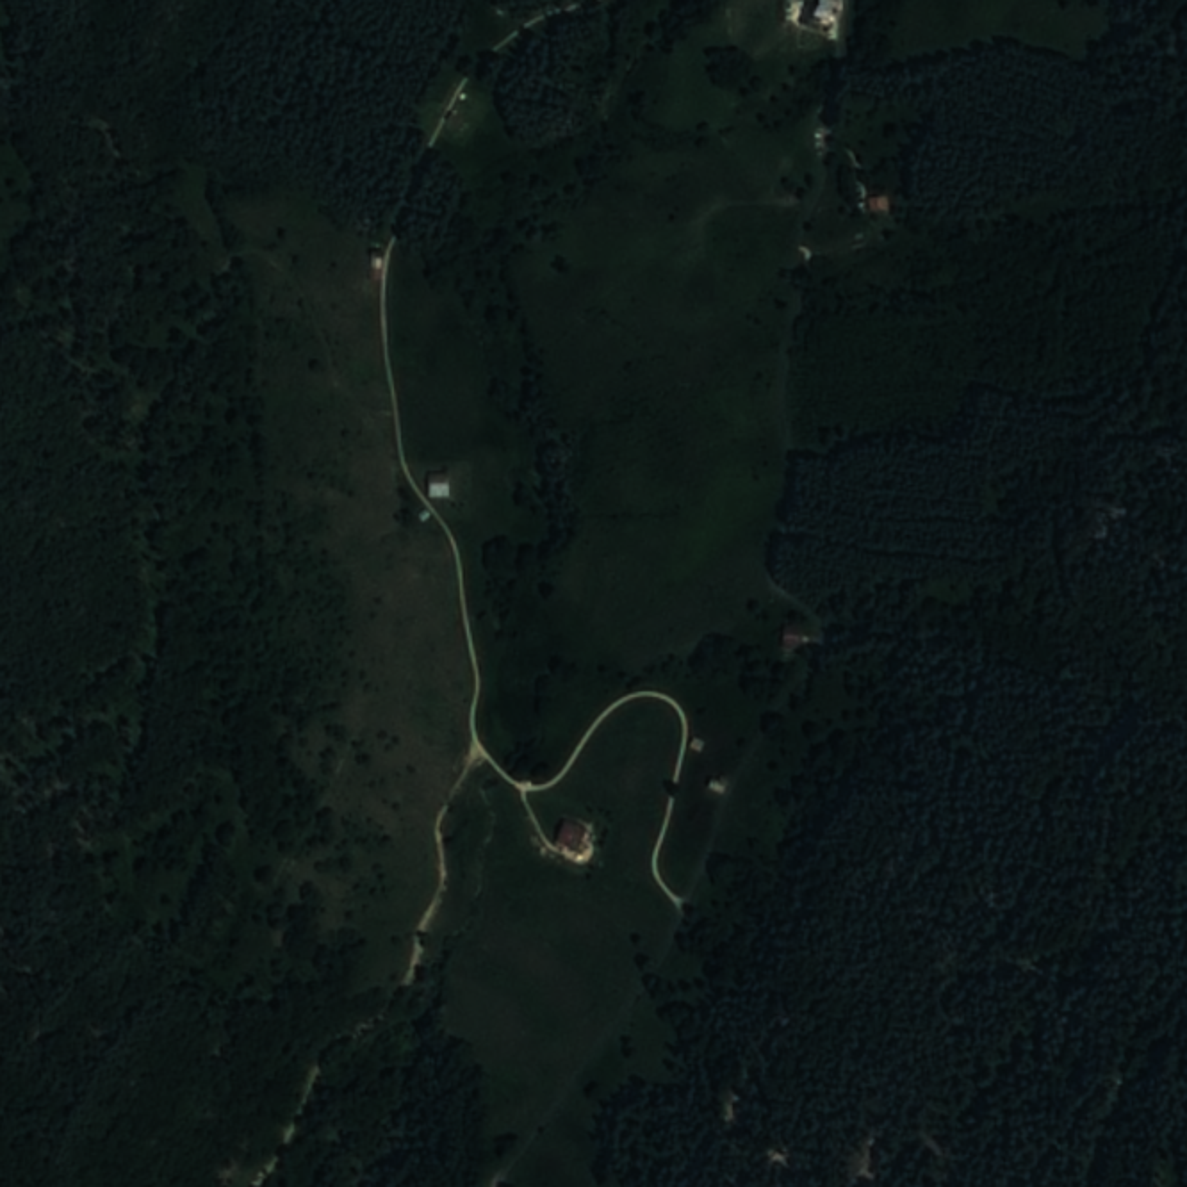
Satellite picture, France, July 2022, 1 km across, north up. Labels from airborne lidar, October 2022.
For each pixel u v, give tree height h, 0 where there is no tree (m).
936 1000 22
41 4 27
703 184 0
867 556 29
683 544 0
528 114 27
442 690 0
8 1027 23
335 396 0
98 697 24
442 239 25
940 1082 17
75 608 21
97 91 21
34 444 21
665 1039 0
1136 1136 20
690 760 0
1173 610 28
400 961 0
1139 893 26
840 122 28
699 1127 17
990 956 32
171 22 13
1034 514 26
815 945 33
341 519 0
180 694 23
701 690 0
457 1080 22
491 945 0
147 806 24
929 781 32
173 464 20
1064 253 11
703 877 0
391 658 0
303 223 0
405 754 0
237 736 13
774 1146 24
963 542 25
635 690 9
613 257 0
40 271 22
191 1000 25
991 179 24
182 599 8
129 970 22
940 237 8
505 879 0
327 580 6
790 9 0
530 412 25
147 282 21
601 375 0
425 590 0
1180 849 31
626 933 0
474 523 0
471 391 0
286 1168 19
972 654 38
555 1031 0
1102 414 28
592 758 0
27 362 23
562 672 17
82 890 27
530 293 0
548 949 0
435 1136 20
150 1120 21
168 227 25
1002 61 23
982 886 33
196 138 24
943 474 30
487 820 0
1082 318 11
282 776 8
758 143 0
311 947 18
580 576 0
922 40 0
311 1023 23
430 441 0
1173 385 20
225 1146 24
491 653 0
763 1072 24
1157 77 32
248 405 10
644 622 0
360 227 23
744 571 0
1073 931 25
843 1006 24
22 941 34
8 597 27
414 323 0
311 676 6
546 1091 0
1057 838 33
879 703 12
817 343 9
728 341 0
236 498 9
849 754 18
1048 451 25
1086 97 22
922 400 6
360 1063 25
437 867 0
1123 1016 24
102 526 25
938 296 7
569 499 27
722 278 0
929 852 30
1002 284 12
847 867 37
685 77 0
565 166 0
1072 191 22
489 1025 0
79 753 20
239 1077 26
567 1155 0
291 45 32
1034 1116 26
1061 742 34
